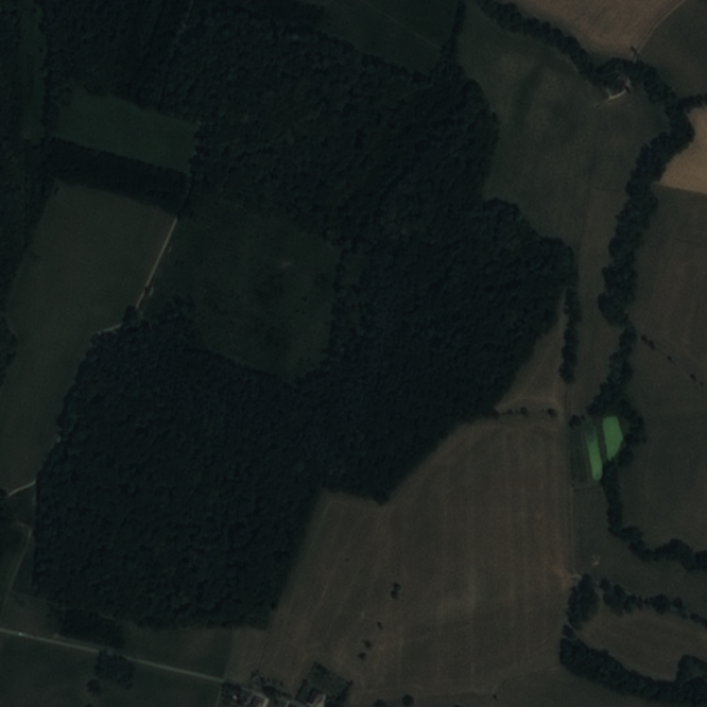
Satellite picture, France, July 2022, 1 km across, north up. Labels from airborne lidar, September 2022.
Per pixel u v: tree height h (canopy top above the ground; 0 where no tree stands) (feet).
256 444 80
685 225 0
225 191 73
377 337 96
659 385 0
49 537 73
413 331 46
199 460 80
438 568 0
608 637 0
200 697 0
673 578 0
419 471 0
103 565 91
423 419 84
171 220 0
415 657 0
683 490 0
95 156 34
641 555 46
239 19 68
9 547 0
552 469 0
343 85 62
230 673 0
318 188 91
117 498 84
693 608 0
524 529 0
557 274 71
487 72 0
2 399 0
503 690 0
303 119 78
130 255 0
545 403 0
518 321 52
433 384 90
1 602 0
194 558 79
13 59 51
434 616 0
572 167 0
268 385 79
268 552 91
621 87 20
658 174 67
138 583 73
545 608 0
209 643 0
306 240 0
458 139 73
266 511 44
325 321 0
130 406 71
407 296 92
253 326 0
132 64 25
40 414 0
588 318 0
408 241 91
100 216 0
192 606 42
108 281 0
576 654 75
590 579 47
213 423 77
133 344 69
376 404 86
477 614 0
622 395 31
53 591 20
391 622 0
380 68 88
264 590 79
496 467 0
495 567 0
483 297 73
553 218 0
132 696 0
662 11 0
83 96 0
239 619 81
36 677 0
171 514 86
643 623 0
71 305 0
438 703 0
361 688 0
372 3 0
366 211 37
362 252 27
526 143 0
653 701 37
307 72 83
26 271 0
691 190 0
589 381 0
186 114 67
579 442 0
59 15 75
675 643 0
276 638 0
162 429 68
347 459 82
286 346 0
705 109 0
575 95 0
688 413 0
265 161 62
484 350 82
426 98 59
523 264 83
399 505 0
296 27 18
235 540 87
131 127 0
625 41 0
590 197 0
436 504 0
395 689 0
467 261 65
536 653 0
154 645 0
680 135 59
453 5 0
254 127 77
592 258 0
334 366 79
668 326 0
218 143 62
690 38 0
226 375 73
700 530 0
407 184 71
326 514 0
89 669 0
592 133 0
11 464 0
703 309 0
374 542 0
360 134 83
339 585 0
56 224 0
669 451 0
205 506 72
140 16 40
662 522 0
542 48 0
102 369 69
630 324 21
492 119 59
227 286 0
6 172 70
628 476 0
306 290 0
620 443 0
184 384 79
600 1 0
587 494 0
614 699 0
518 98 0
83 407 75
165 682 0
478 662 0
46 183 49
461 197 43
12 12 55
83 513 95
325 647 0
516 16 63
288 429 73
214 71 73
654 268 0
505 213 75
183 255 0
